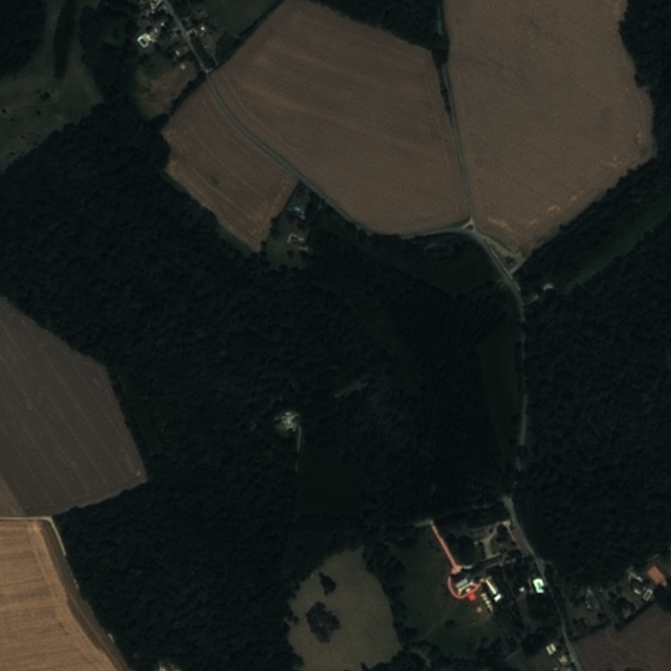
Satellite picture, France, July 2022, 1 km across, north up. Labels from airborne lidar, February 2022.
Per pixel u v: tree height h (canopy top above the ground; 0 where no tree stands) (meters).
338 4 18
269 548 22
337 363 24
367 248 0
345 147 0
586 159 0
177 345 24
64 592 0
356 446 22
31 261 17
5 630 0
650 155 0
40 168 21
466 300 20
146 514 17
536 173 0
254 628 19
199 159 0
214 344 20
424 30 15
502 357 0
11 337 0
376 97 0
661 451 24
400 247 23
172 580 10
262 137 0
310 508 0
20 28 35
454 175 0
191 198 22
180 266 18
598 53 0
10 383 0
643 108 0
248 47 0
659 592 14
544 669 0
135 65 22
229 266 20
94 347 18
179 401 19
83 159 25
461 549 22
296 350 13
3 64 20
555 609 16
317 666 0
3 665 0
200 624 9
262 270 22
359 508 0
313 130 0
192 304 9
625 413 9
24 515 0
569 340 19
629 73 0
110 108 18
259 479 15
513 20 0
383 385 25
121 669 0
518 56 0
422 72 0
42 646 0
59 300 22
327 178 0
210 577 19
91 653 0
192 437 15
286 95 0
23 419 0
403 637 9
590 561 11
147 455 15
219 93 0
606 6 0
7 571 0
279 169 0
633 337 23
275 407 8
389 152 0
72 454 0
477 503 6
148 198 19
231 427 21
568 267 7
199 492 17
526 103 0
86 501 0
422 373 10
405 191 0
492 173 0
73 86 0
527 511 15
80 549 19
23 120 0
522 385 9
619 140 0
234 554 17
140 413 0
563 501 10
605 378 23
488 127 0
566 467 19
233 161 0
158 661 18
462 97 0
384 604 0
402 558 0
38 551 0
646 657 0
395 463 21
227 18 0
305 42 0
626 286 18
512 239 0
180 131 0
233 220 0
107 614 17
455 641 0
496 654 22
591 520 20
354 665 0
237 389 15
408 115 0
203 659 16
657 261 21
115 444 0
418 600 0
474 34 0
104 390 0
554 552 10
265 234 0
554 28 0
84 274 24
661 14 9
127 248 19
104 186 29
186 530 21
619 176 0
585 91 0
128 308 29
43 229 23
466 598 0
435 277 0
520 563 12
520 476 17
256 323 18
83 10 0
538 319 22
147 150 15
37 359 0
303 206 0
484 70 0
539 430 14
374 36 0
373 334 0
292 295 15
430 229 0
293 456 16
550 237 0
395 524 9
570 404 17
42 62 0
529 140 0
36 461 0
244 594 17
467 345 17
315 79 0
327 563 0
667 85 9
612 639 0
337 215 15
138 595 9
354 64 0
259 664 19
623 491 17
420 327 20
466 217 0
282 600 25
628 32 26
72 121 0
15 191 25
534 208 0
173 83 0
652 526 19
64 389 0
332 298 22
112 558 15
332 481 0
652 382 12
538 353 9
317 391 9
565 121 0
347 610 0
